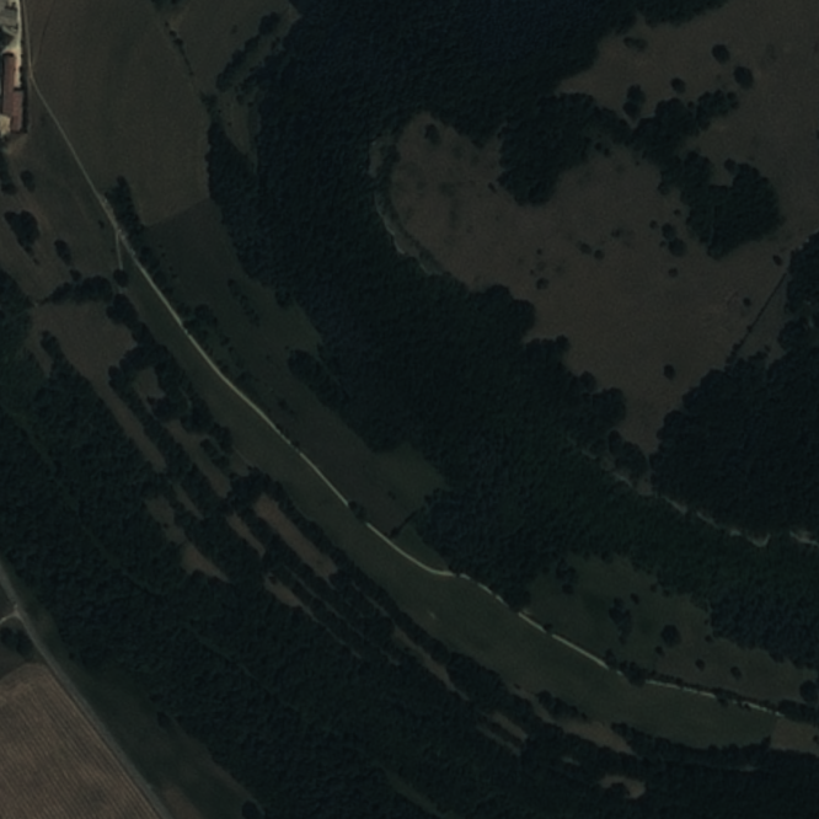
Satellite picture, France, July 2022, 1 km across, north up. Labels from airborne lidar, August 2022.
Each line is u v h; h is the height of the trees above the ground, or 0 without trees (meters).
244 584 17
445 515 22
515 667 0
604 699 0
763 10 0
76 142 0
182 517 16
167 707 15
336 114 20
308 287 22
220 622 21
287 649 12
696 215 9
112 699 0
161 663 21
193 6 0
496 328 14
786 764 25
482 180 0
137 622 20
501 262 0
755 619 20
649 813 19
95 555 19
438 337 19
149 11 0
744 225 11
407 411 22
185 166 0
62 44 0
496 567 12
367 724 22
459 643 0
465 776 14
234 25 0
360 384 26
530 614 0
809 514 15
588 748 14
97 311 0
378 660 17
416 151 0
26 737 0
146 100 0
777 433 21
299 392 0
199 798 0
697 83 0
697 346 0
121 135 0
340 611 19
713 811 16
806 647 17
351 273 22
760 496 18
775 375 14
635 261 0
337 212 19
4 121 0
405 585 0
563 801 19
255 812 23
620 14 13
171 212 0
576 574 13
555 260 0
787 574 15
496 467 15
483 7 26
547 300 0
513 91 21
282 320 0
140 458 16
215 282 0
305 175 16
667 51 0
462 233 0
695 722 0
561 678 0
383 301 22
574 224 0
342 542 0
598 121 15
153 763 0
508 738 10
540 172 17
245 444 0
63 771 0
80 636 21
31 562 28
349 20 22
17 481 22
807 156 0
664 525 16
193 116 0
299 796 21
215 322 12
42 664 0
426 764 11
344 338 20
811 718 18
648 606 0
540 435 13
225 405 0
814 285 15
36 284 0
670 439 17
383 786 16
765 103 0
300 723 21
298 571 16
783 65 0
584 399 7
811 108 0
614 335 0
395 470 0
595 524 15
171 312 0
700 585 12
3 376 14
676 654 0
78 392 17
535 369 18
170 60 0
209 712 17
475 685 24
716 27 0
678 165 15
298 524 16
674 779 25
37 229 9
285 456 0
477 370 21
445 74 21
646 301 0
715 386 20
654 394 0
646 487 0
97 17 0
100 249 0
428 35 22
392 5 24
